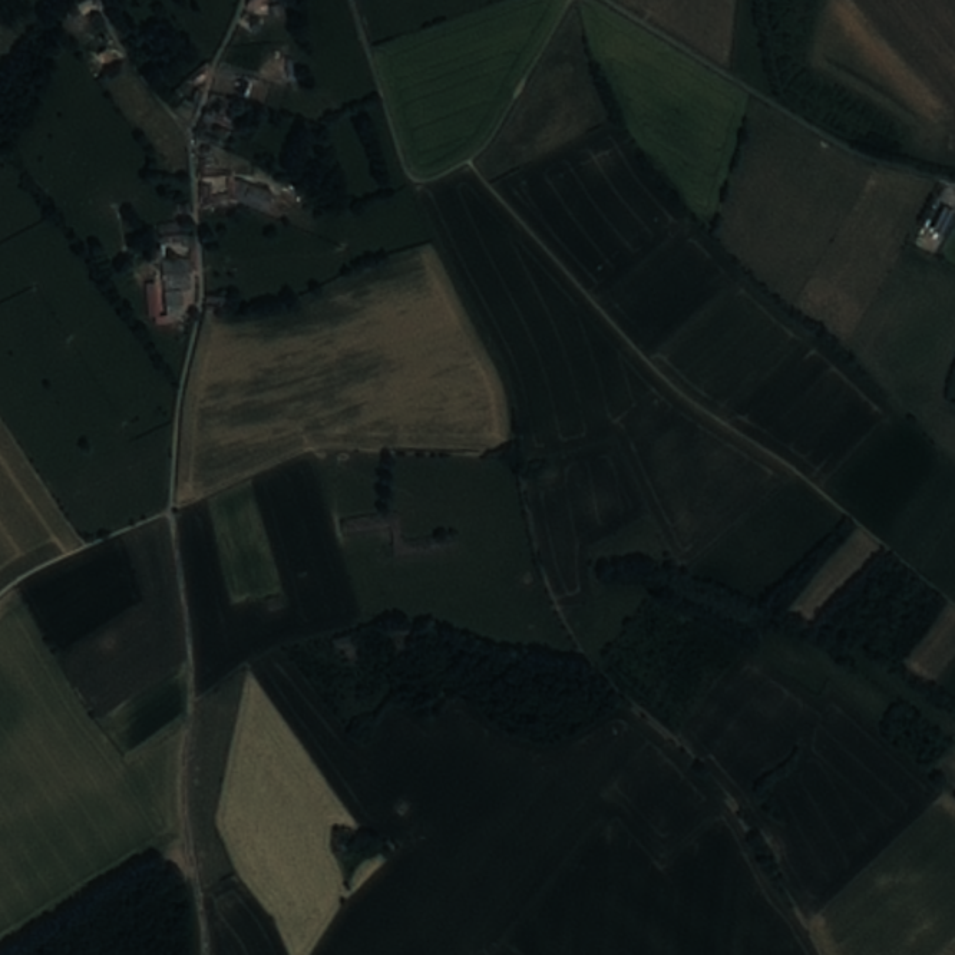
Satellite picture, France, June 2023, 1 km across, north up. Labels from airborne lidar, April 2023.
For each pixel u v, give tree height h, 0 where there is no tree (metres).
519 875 0
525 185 0
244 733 0
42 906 0
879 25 0
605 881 0
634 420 0
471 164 0
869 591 12
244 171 0
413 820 0
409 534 0
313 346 0
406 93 0
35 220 0
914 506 0
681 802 0
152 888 21
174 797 0
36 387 0
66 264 0
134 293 0
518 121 0
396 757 0
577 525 0
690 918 0
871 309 0
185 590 0
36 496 0
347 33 0
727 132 0
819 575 0
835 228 0
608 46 0
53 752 0
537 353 0
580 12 0
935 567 0
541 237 0
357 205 13
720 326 0
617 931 0
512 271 0
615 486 0
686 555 0
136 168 0
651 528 0
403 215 0
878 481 0
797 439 0
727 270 0
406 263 0
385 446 0
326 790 0
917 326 0
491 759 0
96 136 0
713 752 0
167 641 0
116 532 0
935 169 7
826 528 0
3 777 0
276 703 0
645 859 0
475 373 0
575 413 0
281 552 0
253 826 0
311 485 0
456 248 0
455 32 0
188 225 15
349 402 0
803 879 0
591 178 0
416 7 0
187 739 0
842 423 0
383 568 0
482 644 15
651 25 0
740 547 0
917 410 0
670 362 0
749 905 0
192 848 0
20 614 0
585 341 0
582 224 0
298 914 0
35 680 0
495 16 0
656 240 0
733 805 0
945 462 0
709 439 0
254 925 0
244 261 0
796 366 0
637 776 0
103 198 0
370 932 0
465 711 0
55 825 0
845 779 0
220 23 0
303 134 24
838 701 0
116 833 0
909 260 0
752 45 0
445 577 0
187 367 0
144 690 0
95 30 10
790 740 0
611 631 0
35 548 0
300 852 0
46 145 0
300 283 0
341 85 0
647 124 0
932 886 0
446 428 0
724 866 0
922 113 0
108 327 0
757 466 0
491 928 0
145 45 6
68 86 0
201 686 0
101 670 0
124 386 0
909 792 0
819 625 15
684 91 0
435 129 0
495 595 0
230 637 0
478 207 0
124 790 0
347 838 9
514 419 7
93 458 0
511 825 0
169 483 0
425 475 0
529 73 0
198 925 0
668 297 0
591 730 0
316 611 0
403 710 0
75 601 0
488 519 0
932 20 0
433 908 0
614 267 0
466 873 0
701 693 0
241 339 0
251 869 0
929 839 0
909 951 0
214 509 0
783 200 0
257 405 0
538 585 0
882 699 0
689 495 0
